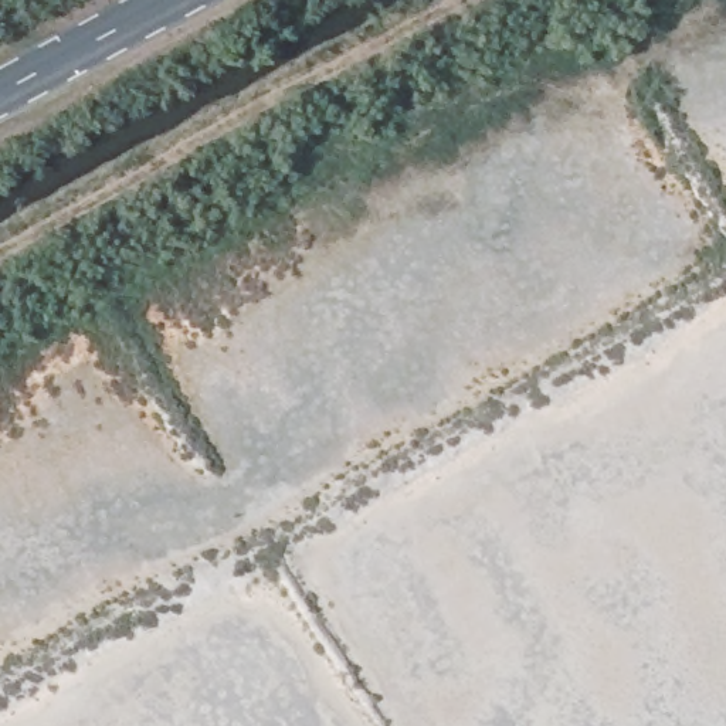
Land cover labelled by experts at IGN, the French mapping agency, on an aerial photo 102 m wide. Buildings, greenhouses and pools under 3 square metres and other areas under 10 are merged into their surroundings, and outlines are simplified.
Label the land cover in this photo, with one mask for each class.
<instances>
[{"label":"pervious surface","instance_id":"1","mask_svg":"<svg viewBox=\"0 0 726 726\"><path fill-rule=\"evenodd\" d=\"M482 0H400L389 9L383 34L369 37L352 48H343L337 57L318 62L312 71L292 74L286 62L269 77L247 85L235 96H224L201 108L179 128L147 142L153 156L145 164L130 167L116 179H108L102 187L77 196L71 204L54 210L45 218H37V224H31L28 230L0 241V264L14 255H23L28 247L45 238V233L62 230L71 218L99 213L102 204L113 201L116 196L136 193L145 182L170 173L176 176L179 162L187 153L216 139H224L227 133H235L238 128H250L261 111L281 105V99H295L303 85L337 79L349 68L366 62L369 57L403 51L420 31L434 28L451 14L471 26L474 11ZM664 65L683 88L681 108L689 119V128H695L706 142L709 159L720 167L726 184V0H703L695 11H686L678 28L669 31L661 43H652L644 54L624 60L610 77H590L596 82V94L573 113H567L564 122L533 116V122L510 116V122L502 130V147L491 150L482 167L457 170L454 164L408 167L397 179L374 184L366 196V218L357 224L354 235L340 238L329 247H292L303 258V275L278 278L272 267L264 269L258 281L269 286V298H264L261 303L241 306L238 320L233 323V337L224 335V329H213V335L207 337L199 326L190 323V318L170 320V315L150 306L147 315V320L164 335V354L170 357V372L179 380L182 394L187 397L193 414H199L204 431L224 457V474L210 471L204 457L184 437L182 425L170 423V411L164 406H159L156 400L122 403L111 389V374L96 366L94 352L85 335H71V357H51L26 377L40 414L48 420V428H34L31 417L20 420L17 414L0 425V664L6 655L28 652L34 638L54 632L77 613L94 610L102 598L147 587V579L159 581L162 587H176L173 573L182 564L193 567L196 579L187 596L173 598V604H182V613L159 615L156 627H139L130 638H111L94 649H82L77 655L74 672L48 675L43 678L40 692L34 698H14L6 709H0V726H383L372 712V700L352 683L349 669L318 630L315 615L309 613L306 601L295 593L292 581L284 576L278 581H267L264 570L235 576L238 562H250L261 553V547L235 553V539L247 536L255 527H269L272 522H284L292 516H301V522L306 525H320L323 533L286 547L284 559L298 573H303L306 587L318 596L332 630L349 647L352 661L360 664L369 686L383 695V709L394 720V726H726V295L698 306L692 320H681L675 329L655 332L644 343H632L627 349H610L607 357H613L618 366L610 374L576 377L567 386H553L542 377L539 389L542 394H547L550 403L542 408H536L525 394H505V406H519L516 417H499L493 423V431H465L459 445L428 457L420 468L386 474L377 454L369 448V440L389 428L394 445L408 442L417 428H428L445 414H454L457 408L485 403L491 389L522 377L536 363L562 352L567 343L581 346L579 335H590L598 326L615 320L613 309L630 312L655 289H666L669 284L681 281L683 267L695 258V250L700 247L698 233L709 221L726 227V213L720 201L712 196V187L700 179V173H689L692 187H683L675 176L655 179L649 173L655 164H664V156L655 139L641 125L638 105L632 99L627 102V91L644 68ZM655 116H658V122H661V128H664V142H666V145H672V147H681L683 142H681V136H678V133H675V128H672V119H669V113L664 111V108H661V105H655Z\"/></svg>","mask_w":726,"mask_h":726},{"label":"brushwood","instance_id":"2","mask_svg":"<svg viewBox=\"0 0 726 726\"><path fill-rule=\"evenodd\" d=\"M88 6V0H0V45L26 40L31 31H37L40 23L65 17L74 9ZM363 0H250L238 6L230 17L201 26L196 37H190L170 54H156L153 60L108 82L96 96H88L60 111L51 125L28 130L23 136H11L0 147V196H6L14 184L11 173L17 164H23L37 179L43 176L48 153L71 156L85 145L88 133L113 130L128 116H142L150 105H167L176 96L187 99L190 91L184 88V77L207 82L216 71H224L227 65L258 68L272 60V51L284 40H295L298 31H303L309 23H318L335 6H352ZM703 0H482L474 11L471 26L451 14L434 28L420 31L403 51L369 57L366 62L349 68L337 79L303 85L295 99H281V105L261 111L250 128H238L235 133H227L224 139H216L187 153L179 162L176 176L170 173L145 182L136 193L116 196L113 201L102 204L99 213L71 218L62 230L45 233V238L28 247L23 255H14L0 264V425L17 414L20 420L31 417L34 428H48V420L40 414L26 377L51 357H71V335H85L94 352L102 340L122 337L116 320H133L136 315H147L150 306L162 292H176L179 286L196 284L204 275V267L218 252L247 258L250 238H258L267 250L292 247H329L340 238L354 235L357 224L366 218V196L374 184L397 179L408 167L454 164L462 145L482 142L488 130H502L510 122V116L533 122V116L530 108L545 99L547 82L567 85L579 77H610L624 60L644 54L652 43H661L669 31L678 28L686 11H695ZM632 99L638 105L641 125L655 139L664 156V164H655L649 173L655 179L675 176L683 187H692L689 173H700V179L712 187V196L720 201L726 213V184L720 167L709 159L706 142L695 128H689V119L681 108L683 88L664 65L644 68L627 91V102ZM655 105H661V108H664V111L669 113V119H672V128H675V133H678V136H681V142H683L681 147H672V145H666V142H664V128H661V122H658V116H655ZM700 247L695 250V258L683 267L681 281L669 284L666 289H655L630 312L613 309L615 320L598 326L590 335H579L581 346L567 343L562 352L536 363L522 377L491 389L485 403L457 408L454 414H445L428 428H417L408 442L394 445L389 428L369 440V448L377 454L386 474L420 468L428 457L459 445L465 431H493V423L499 417H516L519 406H505V394H525L536 408H542L550 403L547 394H542L539 389L542 377L553 386H567L576 377L610 374L618 366L613 357H607L610 349H627L632 343H644L655 332L675 329L681 320H692L698 306L726 295V227L709 221L698 233ZM323 533L320 525H306L301 522V516H292L284 522H272L269 527H255L247 536L235 539V553L261 547V553L250 562H238L235 576L264 570L267 581H278L284 576L292 581L295 593L306 601L309 613L315 615L318 630L349 669L352 683L372 700V712L383 726H394V720L383 709V695L369 686L360 664L352 661L349 647L332 630L318 596L306 587L303 573H298L284 559L286 547ZM176 587H162L159 581L147 579V587L102 598L94 610L77 613L54 632L34 638L28 652L6 655L0 664V709H6L14 698H34L40 692L43 678L48 675L74 672L77 655L82 649H94L111 638H130L139 627H156L159 615L182 613V604H173V598L187 596L196 579L193 567L182 564L173 573Z\"/></svg>","mask_w":726,"mask_h":726},{"label":"herbaceous vegetation","instance_id":"3","mask_svg":"<svg viewBox=\"0 0 726 726\"><path fill-rule=\"evenodd\" d=\"M128 0H88V6L74 9L65 17L40 23L37 31H31L26 40L0 45V68L14 65L28 51L57 43L65 28L88 26L99 17L105 6ZM250 0H218L213 6H196L184 14L182 23L153 28L139 45L119 48L111 57H105L102 65L79 68L60 88L43 91L31 96L23 108L0 113V147L11 136H23L28 130L51 125L60 111L88 96H96L108 82L153 60L156 54H170L190 37H196L201 26L230 17L238 6ZM389 9L383 14L366 17L357 28L340 37L312 45L309 51L286 62L292 74L312 71L318 62L337 57L343 48H352L369 37L383 34ZM596 82L590 77H579L567 85L547 82L545 99L530 108L533 116L564 122L567 113H573L596 94ZM502 130H488L482 142L462 145L454 164L457 170L482 167L491 150L502 147ZM153 156L147 142L125 150L122 156L60 187L48 199H40L0 221V241L28 230L31 224H37V218H45L54 210L71 204L77 196L102 187L108 179H116L130 167L145 164ZM272 267L278 278L303 275V258L292 247L267 250L258 238H250L247 258L218 252L204 267V275L196 284L179 286L176 292H162L150 306L170 315V320L190 318V323L199 326L207 337L213 335V329H224V335L233 337V323L238 320L241 306L261 303L264 298H269V286L258 281L264 269ZM122 337L102 340L94 352L96 366L111 374V389L122 403L156 400L159 406H164L170 411V423L182 425L184 437L204 457L210 471L224 474V457L204 431L199 414H193L187 397L182 394L179 380L170 372V357L164 354V335L147 320V315H136L133 320H116Z\"/></svg>","mask_w":726,"mask_h":726},{"label":"water","instance_id":"4","mask_svg":"<svg viewBox=\"0 0 726 726\"><path fill-rule=\"evenodd\" d=\"M400 0H363L352 6H335L318 23H309L303 31H298L295 40H284L272 51V60L258 68L227 65L224 71H216L207 82L184 77V88L190 91L187 99L176 96L167 105H150L142 116H128L113 130L88 133L85 145L71 156L48 153L43 176L37 179L23 164H17L11 173L14 184L6 196H0V221L40 199H48L60 187L122 156L125 150L147 142L179 128L201 108L224 96H235L247 85L269 77L286 62L309 51L312 45L340 37L357 28L366 17L383 14L389 9Z\"/></svg>","mask_w":726,"mask_h":726},{"label":"impervious surface","instance_id":"5","mask_svg":"<svg viewBox=\"0 0 726 726\"><path fill-rule=\"evenodd\" d=\"M218 0H128L105 6L99 17L88 26L65 28L57 43L28 51L14 65L0 68V113L23 108L31 96L43 91L60 88L79 68L102 65L105 57H111L119 48L139 45L153 28L182 23L184 14L196 6H213Z\"/></svg>","mask_w":726,"mask_h":726}]
</instances>
